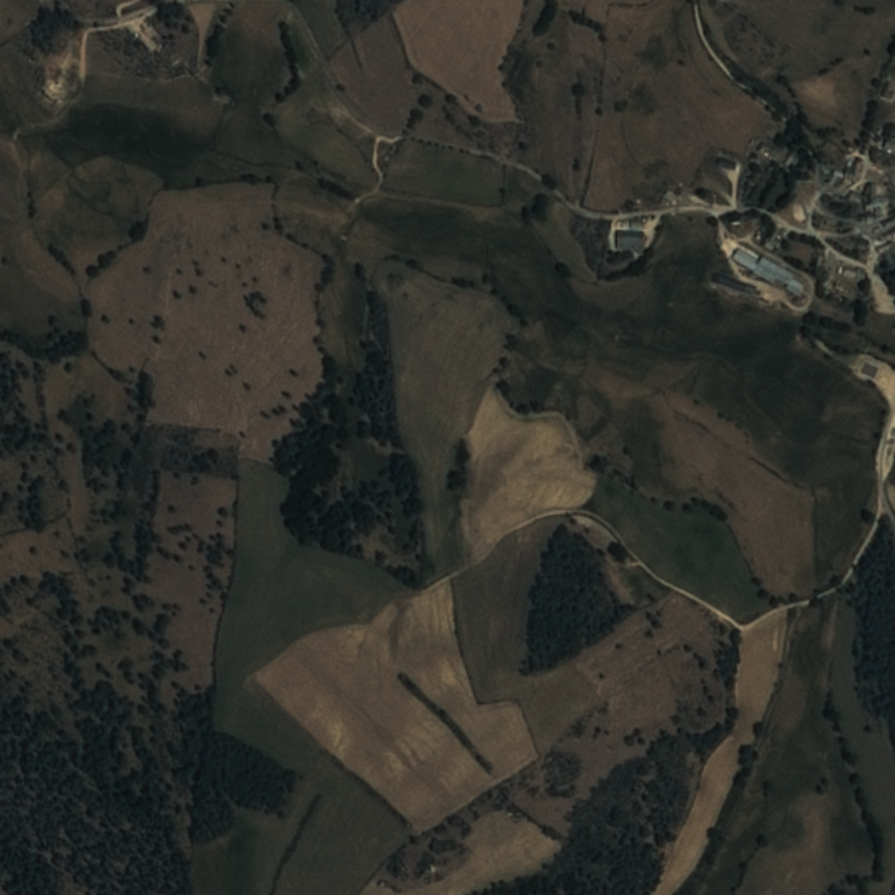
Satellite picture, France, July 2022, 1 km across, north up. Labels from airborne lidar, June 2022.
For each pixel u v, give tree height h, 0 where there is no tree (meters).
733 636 11
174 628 0
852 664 0
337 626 0
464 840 0
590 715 0
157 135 0
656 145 0
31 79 0
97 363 0
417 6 0
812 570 0
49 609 0
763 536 0
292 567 0
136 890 20
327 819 0
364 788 0
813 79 0
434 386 0
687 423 0
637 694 0
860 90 0
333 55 0
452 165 0
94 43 0
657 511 0
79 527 0
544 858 0
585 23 15
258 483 0
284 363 0
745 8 0
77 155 0
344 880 0
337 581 0
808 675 0
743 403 0
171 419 0
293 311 0
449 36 0
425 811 0
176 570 0
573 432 0
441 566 0
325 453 15
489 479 0
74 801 16
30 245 0
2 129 0
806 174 6
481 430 0
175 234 0
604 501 0
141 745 13
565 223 0
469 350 0
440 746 0
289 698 0
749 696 0
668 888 0
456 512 0
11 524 0
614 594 8
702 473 0
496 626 0
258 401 0
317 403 11
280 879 0
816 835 0
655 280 0
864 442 0
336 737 0
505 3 0
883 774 0
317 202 0
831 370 0
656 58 0
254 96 0
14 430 12
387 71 0
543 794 0
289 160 0
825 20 0
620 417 0
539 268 0
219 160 0
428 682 0
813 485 0
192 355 0
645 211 0
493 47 0
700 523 0
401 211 0
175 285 0
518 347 12
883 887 0
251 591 0
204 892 0
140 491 0
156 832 20
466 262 0
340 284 0
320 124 0
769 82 0
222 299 0
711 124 0
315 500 12
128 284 0
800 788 0
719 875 0
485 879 0
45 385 0
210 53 12
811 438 0
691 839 0
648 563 0
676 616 0
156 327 14
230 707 0
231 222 0
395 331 0
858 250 8
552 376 0
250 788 13
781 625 0
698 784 0
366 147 0
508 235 0
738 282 0
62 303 0
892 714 14
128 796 17
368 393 18
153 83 0
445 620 0
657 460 0
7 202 0
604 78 0
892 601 16
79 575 0
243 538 0
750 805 0
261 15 0
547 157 0
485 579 0
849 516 0
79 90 0
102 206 0
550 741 0
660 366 0
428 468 0
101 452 12
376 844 0
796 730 0
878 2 0
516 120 0
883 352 8
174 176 0
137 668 0
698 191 9
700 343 0
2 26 0
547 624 17
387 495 14
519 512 0
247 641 0
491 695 0
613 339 0
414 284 0
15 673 15
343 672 0
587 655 0
